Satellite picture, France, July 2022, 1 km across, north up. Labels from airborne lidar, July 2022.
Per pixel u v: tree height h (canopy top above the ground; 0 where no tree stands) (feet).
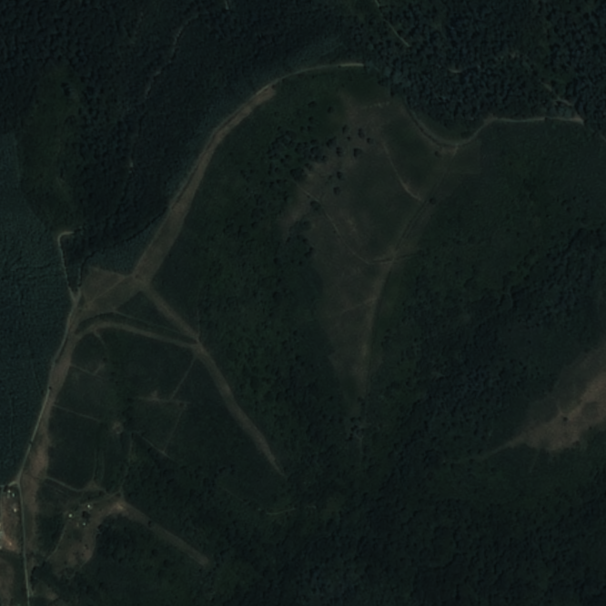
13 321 35
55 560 0
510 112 51
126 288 0
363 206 0
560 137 22
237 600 46
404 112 0
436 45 74
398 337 19
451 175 0
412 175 0
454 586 75
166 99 52
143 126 36
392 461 37
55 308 29
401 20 87
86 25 79
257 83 48
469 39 90
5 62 82
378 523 65
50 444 0
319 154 36
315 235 0
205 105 22
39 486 0
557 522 31
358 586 23
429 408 37
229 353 26
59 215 23
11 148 50
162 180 26
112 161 55
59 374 0
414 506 31
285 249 24
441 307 18
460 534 69
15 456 37
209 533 27
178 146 30
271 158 52
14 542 0
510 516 31
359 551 47
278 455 0
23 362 31
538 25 46
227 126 0
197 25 39
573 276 26
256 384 39
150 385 0
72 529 0
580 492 27
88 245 51
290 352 27
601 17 101
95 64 67
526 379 24
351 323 0
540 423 0
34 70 83
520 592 47
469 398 37
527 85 36
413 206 0
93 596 21
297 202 0
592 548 18
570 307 24
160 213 34
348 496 30
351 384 0
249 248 26
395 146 0
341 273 0
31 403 29
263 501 0
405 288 0
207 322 27
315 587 27
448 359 39
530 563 33
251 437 0
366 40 108
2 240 46
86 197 36
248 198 21
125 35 70
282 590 40
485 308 64
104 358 24
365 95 0
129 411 33
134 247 50
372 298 0
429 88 89
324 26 48
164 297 0
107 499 0
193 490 38
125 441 33
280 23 35
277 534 44
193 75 22
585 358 0
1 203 38
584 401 0
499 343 32
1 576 0
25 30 66
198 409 0
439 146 0
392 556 36
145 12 23
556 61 104
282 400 37
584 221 46
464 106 81
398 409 25
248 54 30
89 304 0
